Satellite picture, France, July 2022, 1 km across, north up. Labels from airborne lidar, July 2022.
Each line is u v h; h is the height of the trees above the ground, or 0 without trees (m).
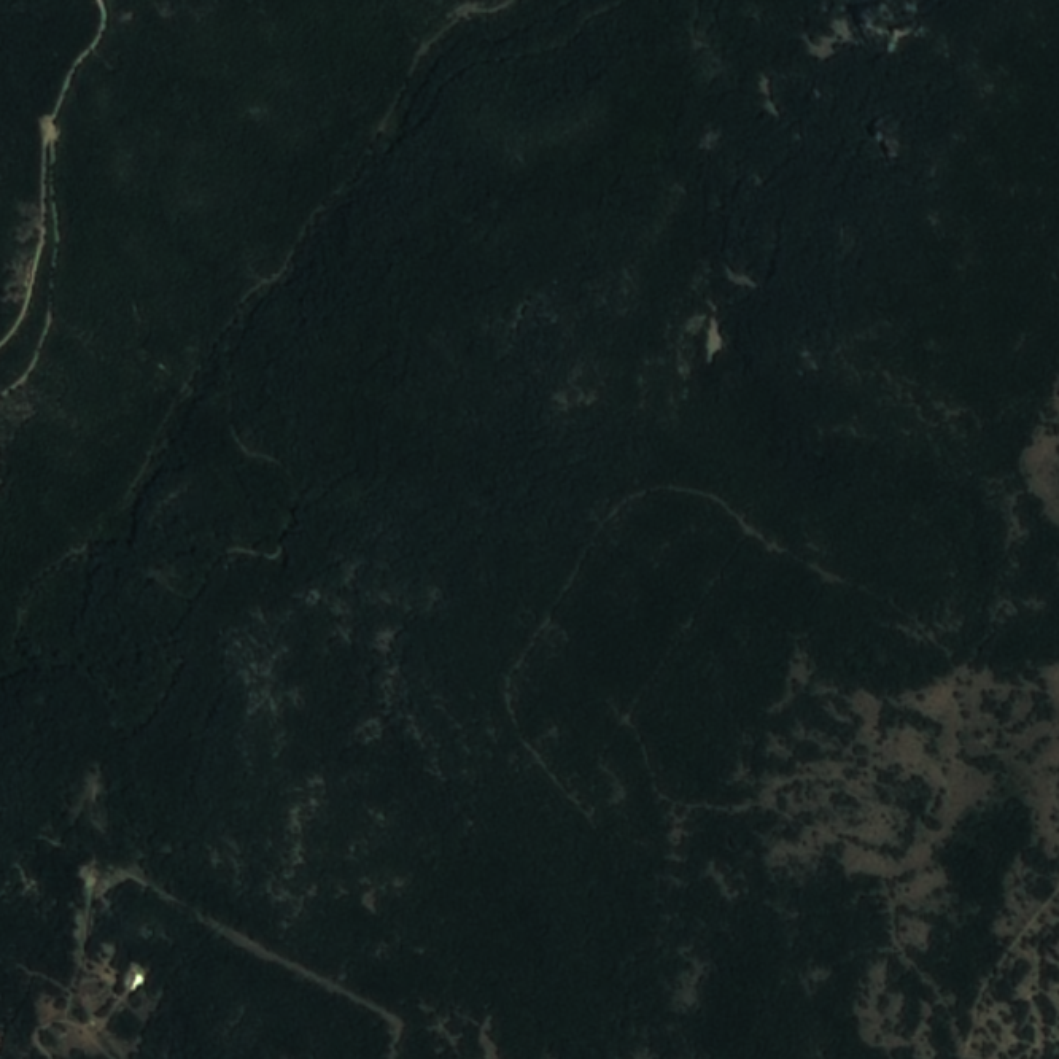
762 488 8
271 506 7
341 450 8
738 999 9
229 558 8
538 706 7
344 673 9
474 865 10
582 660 7
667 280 7
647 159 6
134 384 13
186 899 7
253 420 12
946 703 0
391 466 10
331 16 11
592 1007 7
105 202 12
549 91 9
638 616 6
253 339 10
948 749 0
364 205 10
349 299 16
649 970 6
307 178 10
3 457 17
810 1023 8
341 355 7
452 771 8
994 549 6
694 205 9
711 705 7
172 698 8
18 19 7
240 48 8
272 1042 6
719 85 10
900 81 7
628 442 7
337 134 12
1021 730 6
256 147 11
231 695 6
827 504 8
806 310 8
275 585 12
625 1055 6
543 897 9
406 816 7
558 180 8
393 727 7
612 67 9
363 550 6
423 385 6
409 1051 7
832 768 0
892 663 6
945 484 7
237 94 7
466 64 8
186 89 11
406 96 12
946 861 8
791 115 8
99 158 10
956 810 0
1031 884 6
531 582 6
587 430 7
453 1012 7
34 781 8
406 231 8
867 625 6
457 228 8
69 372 9
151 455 8
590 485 6
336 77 10
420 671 6
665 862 6
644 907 7
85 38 5
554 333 5
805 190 7
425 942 6
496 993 10
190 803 7
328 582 8
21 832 12
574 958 7
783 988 8
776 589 6
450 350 6
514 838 6
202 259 7
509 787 6
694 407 11
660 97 7
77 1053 8
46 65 6
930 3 8
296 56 9
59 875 12
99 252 11
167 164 9
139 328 6
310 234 11
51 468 11
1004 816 6
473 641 6
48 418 7
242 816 6
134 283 11
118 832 7
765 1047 8
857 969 8
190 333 9
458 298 10
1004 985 6
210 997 6
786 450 12
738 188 6
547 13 10
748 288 7
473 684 6
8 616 10
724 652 6
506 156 6
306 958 6
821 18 6
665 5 8
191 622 9
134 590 9
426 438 9
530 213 7
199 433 9
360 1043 6
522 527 7
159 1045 7
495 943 8
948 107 7
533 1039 9
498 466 6
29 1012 7
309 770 6
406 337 7
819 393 6
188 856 8
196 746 10
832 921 6
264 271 9
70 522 6
